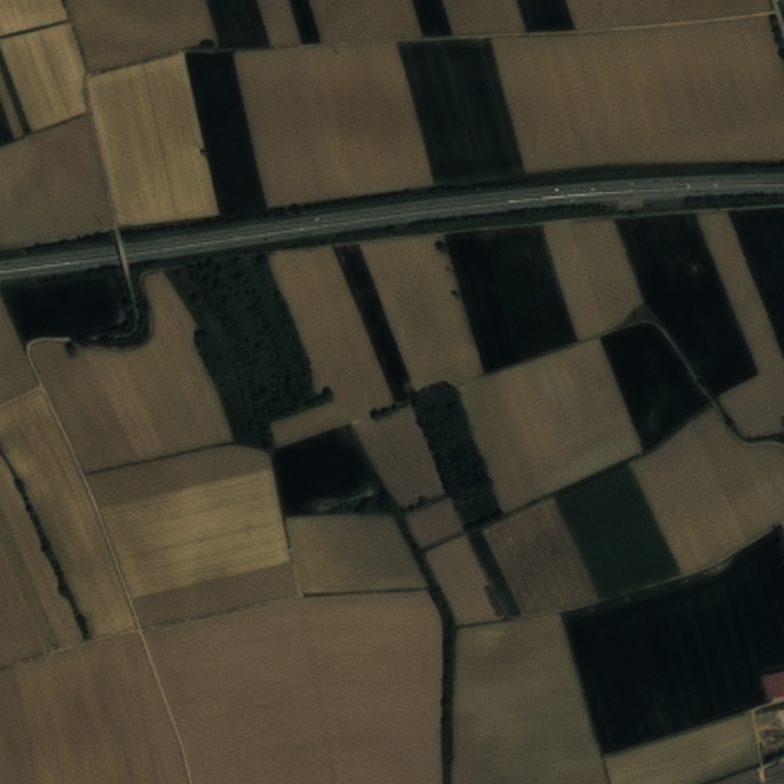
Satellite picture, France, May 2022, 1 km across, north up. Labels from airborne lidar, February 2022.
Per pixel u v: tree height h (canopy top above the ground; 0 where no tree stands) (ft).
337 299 0
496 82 0
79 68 0
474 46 0
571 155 0
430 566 0
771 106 0
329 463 0
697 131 0
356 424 0
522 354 0
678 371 0
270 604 0
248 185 0
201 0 0
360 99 0
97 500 0
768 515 0
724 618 0
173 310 0
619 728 0
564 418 0
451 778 0
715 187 0
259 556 0
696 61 0
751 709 0
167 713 0
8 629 0
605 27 0
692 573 0
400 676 0
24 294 0
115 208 0
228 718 0
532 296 0
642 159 0
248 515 0
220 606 0
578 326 0
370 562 0
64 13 0
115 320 0
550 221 0
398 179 0
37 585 0
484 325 0
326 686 0
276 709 0
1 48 0
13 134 0
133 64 0
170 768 0
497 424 0
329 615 0
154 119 0
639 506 0
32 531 0
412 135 0
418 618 0
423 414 51
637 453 0
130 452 0
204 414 0
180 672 0
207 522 0
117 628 0
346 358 0
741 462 0
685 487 0
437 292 0
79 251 0
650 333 0
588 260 0
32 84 0
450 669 30
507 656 0
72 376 0
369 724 0
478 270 0
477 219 27
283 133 0
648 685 0
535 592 0
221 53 0
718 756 0
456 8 0
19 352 0
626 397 0
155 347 0
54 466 0
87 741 0
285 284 0
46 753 0
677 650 0
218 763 0
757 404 0
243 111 0
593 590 0
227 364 0
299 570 0
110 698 0
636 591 0
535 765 0
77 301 0
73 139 0
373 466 0
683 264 0
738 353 0
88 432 0
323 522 0
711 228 0
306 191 0
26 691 0
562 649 0
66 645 0
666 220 0
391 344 0
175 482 0
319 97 0
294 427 0
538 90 0
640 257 0
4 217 0
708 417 0
